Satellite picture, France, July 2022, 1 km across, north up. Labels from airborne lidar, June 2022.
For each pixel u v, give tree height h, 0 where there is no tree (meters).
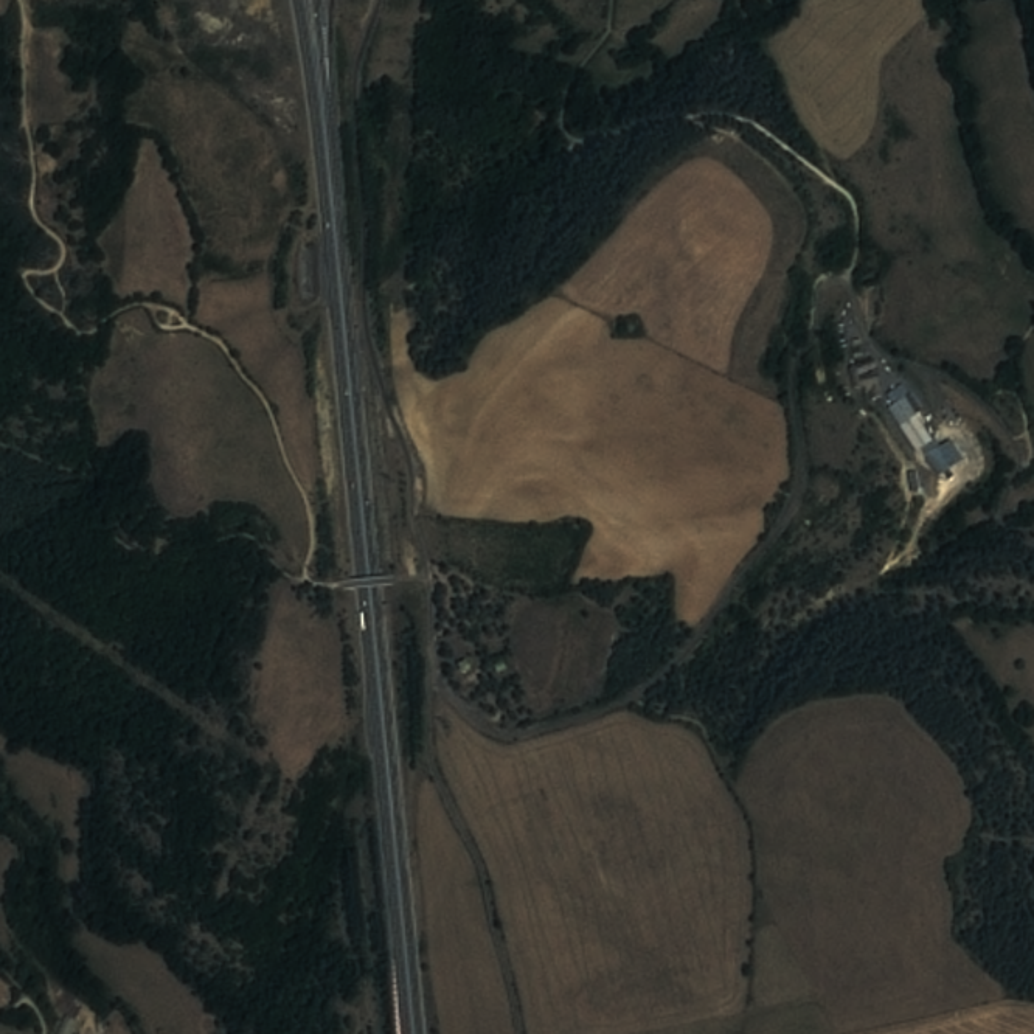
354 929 12
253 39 0
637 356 0
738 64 9
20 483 14
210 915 8
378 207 13
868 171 0
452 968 0
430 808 0
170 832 8
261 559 6
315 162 0
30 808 8
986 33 0
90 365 14
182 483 0
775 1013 0
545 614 0
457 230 17
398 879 0
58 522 11
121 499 14
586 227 17
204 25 0
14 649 10
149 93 0
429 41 11
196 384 0
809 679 18
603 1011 0
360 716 0
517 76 14
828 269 7
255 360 0
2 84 9
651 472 0
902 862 0
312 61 0
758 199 0
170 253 0
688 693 7
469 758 0
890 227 0
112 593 7
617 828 0
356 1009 0
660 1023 0
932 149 0
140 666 12
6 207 0
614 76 0
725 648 8
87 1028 0
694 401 0
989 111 0
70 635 6
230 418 0
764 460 0
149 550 9
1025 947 21
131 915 14
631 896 0
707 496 0
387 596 0
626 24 0
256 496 0
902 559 0
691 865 0
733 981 0
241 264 0
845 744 0
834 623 15
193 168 0
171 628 21
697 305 0
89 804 14
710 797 0
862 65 0
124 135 15
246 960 7
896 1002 0
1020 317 0
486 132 16
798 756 0
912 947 0
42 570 12
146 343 0
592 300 0
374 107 9
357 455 0
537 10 11
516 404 0
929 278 0
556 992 0
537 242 16
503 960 0
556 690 0
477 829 0
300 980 7
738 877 0
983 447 0
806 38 0
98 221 14
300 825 7
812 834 0
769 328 0
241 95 0
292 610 0
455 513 0
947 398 0
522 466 0
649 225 0
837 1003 0
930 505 0
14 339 14
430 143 11
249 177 0
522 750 0
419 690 7
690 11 0
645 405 0
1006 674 0
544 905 0
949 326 0
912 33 0
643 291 0
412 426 0
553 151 17
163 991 0
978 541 15
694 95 21
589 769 0
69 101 0
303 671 0
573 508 0
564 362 0
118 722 14
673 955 0
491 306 17
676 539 0
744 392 0
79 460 7
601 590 14
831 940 0
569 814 0
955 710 15
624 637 6
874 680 16
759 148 7
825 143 0
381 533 0
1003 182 0
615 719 0
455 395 0
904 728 0
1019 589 6
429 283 7
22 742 14
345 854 9
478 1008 0
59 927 17
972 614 13
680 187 0
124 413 0
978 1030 0
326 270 0
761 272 0
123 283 0
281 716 0
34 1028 7
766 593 10
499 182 12
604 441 0
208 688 6
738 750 6
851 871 0
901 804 0
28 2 0
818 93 0
